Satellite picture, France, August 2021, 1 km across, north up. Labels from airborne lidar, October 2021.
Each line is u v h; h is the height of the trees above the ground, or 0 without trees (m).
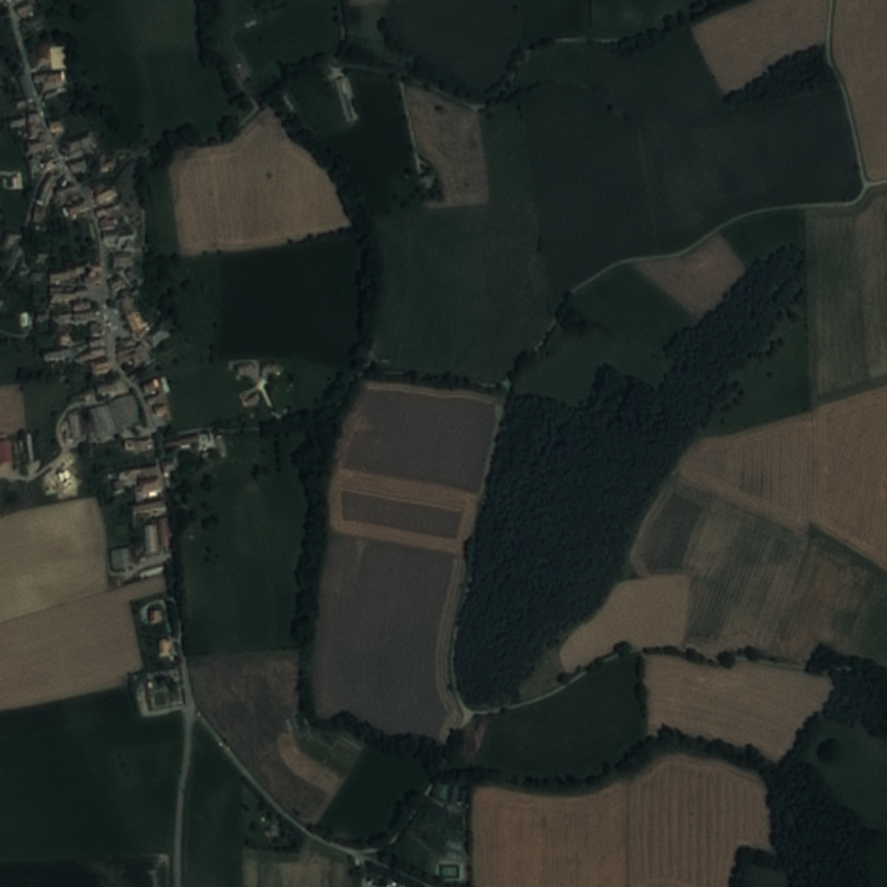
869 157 0
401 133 0
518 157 0
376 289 23
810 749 12
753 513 0
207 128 0
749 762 15
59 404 0
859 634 0
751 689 0
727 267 0
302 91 0
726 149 0
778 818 17
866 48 0
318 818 0
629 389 5
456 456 0
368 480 0
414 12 0
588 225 0
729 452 0
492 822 0
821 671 10
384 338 0
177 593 13
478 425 0
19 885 0
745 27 0
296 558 0
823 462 0
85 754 0
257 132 0
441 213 0
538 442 11
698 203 0
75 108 13
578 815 0
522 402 12
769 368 0
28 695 0
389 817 0
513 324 0
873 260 0
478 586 9
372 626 0
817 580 0
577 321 9
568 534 12
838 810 20
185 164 0
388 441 0
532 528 9
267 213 0
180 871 0
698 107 0
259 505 0
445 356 0
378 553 0
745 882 15
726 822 0
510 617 11
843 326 0
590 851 0
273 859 0
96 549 0
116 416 0
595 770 0
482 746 0
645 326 0
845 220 0
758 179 0
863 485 0
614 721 0
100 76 0
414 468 0
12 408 0
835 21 0
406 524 0
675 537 0
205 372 0
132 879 0
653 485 9
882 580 0
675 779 0
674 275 0
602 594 10
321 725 11
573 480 10
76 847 0
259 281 0
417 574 0
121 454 0
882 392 0
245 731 0
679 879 0
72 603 0
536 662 7
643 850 0
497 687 9
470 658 8
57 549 0
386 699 0
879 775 0
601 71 0
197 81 0
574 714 0
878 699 16
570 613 9
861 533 0
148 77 0
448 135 0
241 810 0
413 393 0
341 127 0
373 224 16
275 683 0
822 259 0
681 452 9
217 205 0
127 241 0
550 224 0
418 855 0
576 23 0
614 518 11
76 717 0
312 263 0
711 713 0
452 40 0
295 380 7
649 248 0
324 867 0
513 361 0
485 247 0
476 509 0
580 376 0
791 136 0
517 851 0
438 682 0
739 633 0
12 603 0
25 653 0
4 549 0
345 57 11
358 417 0
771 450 0
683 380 10
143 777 0
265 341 0
